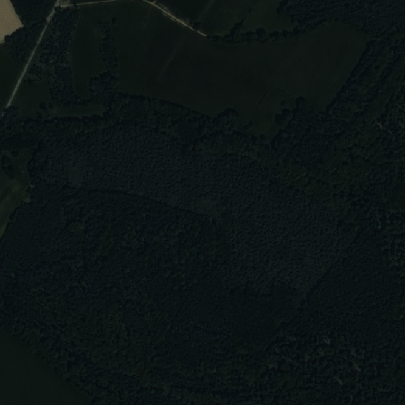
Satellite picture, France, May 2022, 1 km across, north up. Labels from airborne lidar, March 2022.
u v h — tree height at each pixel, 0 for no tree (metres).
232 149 29
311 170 30
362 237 22
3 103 0
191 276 25
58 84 9
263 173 17
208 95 0
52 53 10
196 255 17
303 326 21
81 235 6
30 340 23
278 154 32
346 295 24
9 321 20
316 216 19
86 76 0
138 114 27
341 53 0
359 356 26
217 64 0
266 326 25
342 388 11
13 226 12
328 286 20
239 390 21
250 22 0
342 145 30
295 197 13
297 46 0
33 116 0
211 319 26
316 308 23
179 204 21
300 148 25
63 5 0
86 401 0
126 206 24
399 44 30
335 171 32
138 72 0
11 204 0
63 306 29
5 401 0
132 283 23
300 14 10
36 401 0
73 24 10
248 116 0
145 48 0
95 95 11
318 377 17
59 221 10
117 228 30
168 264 26
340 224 26
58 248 8
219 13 0
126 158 22
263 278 14
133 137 16
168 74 0
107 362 30
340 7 25
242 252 17
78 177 20
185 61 0
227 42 12
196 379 25
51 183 12
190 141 23
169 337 30
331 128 26
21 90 0
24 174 0
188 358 27
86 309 28
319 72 0
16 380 0
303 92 0
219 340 27
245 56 0
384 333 23
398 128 30
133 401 16
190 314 28
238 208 11
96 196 21
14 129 21
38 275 29
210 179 16
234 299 24
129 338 28
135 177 19
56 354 25
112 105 25
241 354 27
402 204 15
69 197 25
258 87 0
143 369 30
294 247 16
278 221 20
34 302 9
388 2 24
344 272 22
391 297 13
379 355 24
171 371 27
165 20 0
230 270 17
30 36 20
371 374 7
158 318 20
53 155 19
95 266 30
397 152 22
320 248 12
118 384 33
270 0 0
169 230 35
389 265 15
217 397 30
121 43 0
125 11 0
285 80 0
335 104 15
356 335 23
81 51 0
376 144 32
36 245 11
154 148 20
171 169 18
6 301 31
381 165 27
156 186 22
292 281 15
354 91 28
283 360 12
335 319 20
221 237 24
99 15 0
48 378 0
